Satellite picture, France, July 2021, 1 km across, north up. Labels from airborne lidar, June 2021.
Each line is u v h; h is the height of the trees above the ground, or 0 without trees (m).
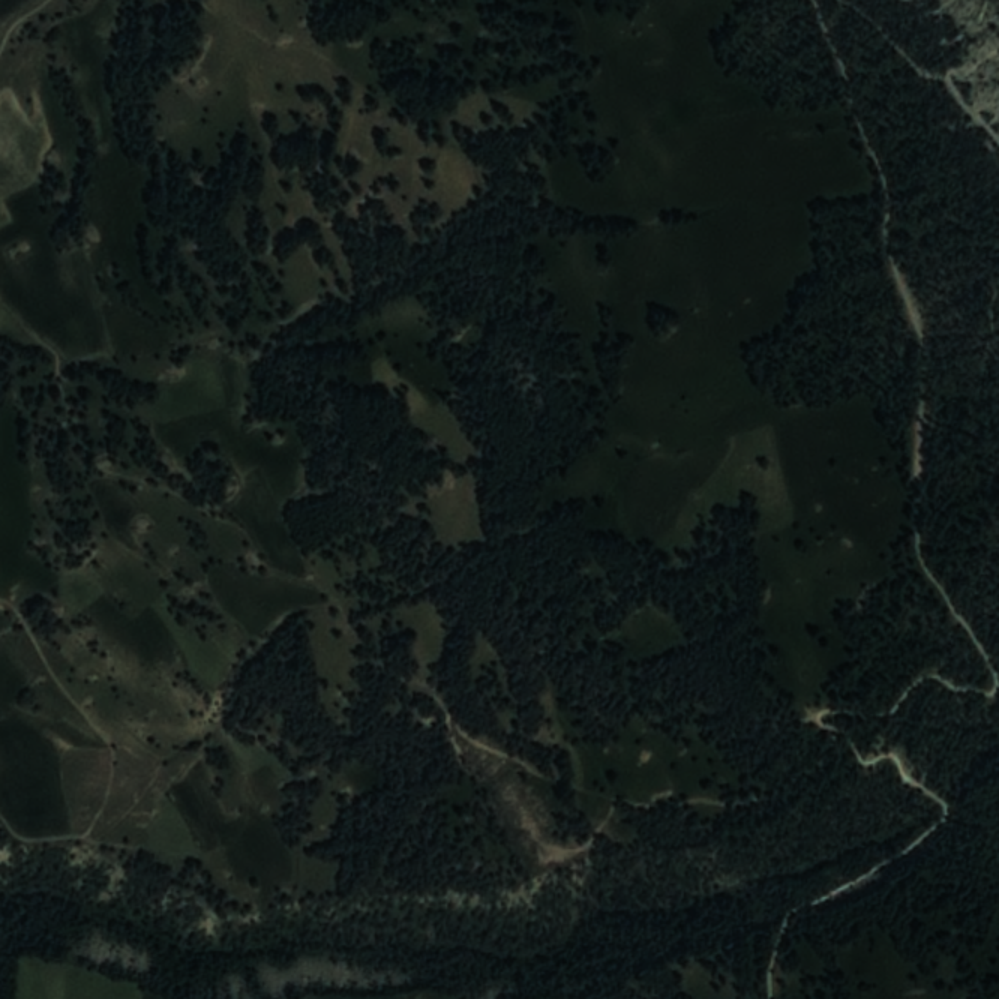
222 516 8
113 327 0
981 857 18
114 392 15
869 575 0
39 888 10
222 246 20
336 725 6
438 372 0
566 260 0
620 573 17
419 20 11
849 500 0
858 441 0
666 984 18
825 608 0
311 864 0
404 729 15
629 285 0
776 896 10
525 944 11
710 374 0
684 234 0
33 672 0
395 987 8
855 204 12
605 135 0
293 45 0
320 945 15
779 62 27
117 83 19
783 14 19
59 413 10
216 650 0
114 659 0
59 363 0
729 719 10
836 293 33
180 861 0
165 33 22
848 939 18
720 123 0
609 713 18
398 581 7
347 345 24
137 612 0
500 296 14
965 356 18
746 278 0
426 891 13
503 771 0
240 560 9
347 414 19
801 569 0
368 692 10
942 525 28
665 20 0
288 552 0
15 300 0
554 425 20
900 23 14
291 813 6
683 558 21
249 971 11
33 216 0
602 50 0
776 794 16
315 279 0
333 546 12
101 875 7
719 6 0
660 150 0
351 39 19
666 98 0
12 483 0
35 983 0
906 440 24
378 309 16
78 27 0
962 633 12
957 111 9
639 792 0
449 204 0
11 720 0
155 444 11
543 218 16
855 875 10
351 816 14
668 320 21
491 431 24
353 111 0
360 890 9
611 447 0
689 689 17
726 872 9
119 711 0
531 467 22
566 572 22
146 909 6
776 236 0
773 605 0
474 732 14
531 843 0
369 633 21
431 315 6
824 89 26
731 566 21
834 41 21
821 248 20
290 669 12
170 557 0
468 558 25
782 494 0
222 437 0
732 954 23
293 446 0
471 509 0
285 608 0
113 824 0
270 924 8
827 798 20
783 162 0
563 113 11
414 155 0
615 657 20
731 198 0
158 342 0
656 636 0
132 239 0
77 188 17
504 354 14
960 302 17
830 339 30
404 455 23
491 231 14
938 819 11
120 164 0
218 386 0
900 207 22
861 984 7
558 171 0
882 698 15
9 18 0
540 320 16
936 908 16
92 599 0
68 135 0
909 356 14
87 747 0
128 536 0
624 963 12
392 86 22
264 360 9
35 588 0
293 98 0
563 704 12
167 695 0
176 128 0
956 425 9
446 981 10
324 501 16
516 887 13
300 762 9
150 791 0
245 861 0
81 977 0
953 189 21
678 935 12
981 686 12
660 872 11
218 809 0
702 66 0
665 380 0
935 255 16
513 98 0
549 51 16
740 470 0
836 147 0
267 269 17
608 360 21
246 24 0
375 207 19
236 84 0
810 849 20
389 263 18
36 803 0
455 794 0
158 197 24
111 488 0
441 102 24
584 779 0
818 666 0
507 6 21
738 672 26
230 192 27
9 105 0
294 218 0
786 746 19
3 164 0
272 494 0
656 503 0
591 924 12
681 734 8
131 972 7
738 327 0
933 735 23
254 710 13
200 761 0
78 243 10
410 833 11
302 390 17
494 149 23
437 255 16
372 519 12
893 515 0
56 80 10
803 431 0
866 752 8
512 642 20
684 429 0
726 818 10
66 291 0
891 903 19
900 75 15
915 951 25
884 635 27
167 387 0
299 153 25
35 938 11
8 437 0
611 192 0
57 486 11
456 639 18
